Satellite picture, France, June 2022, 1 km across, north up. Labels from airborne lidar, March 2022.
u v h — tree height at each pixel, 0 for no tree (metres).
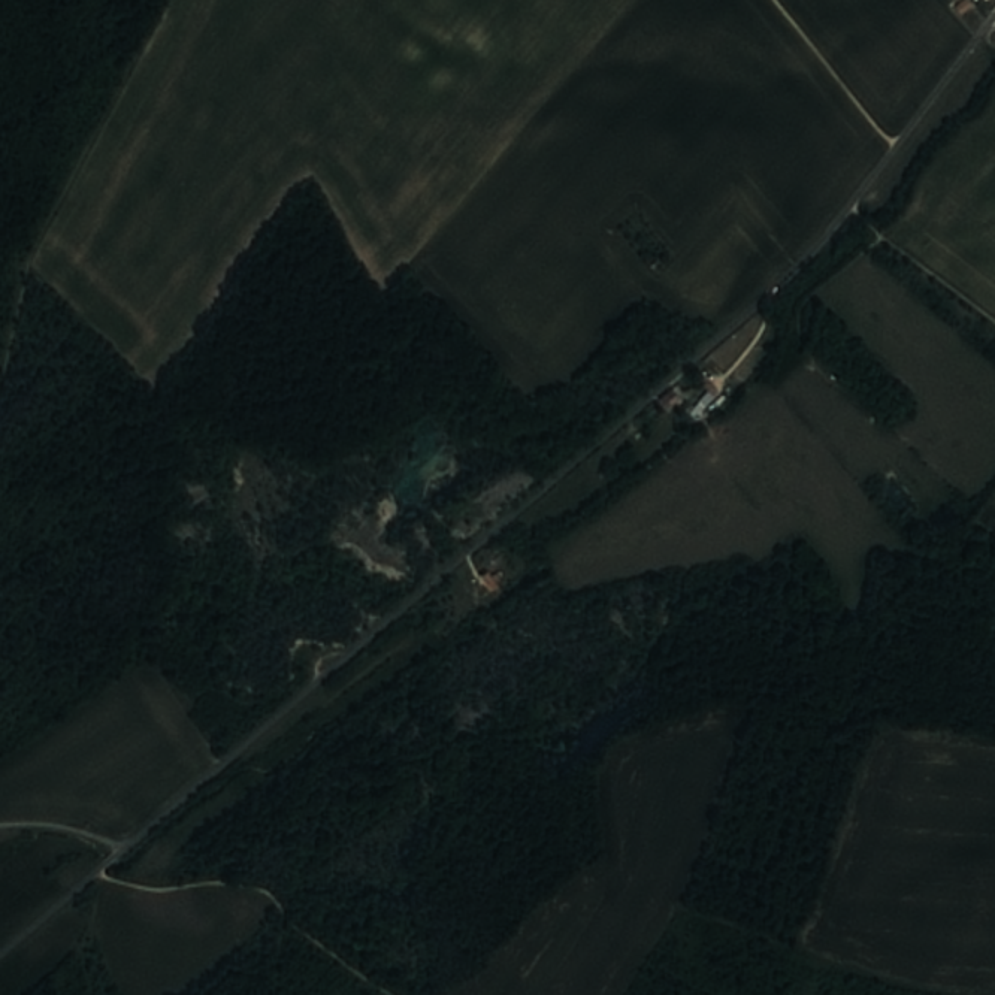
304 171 0
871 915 0
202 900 0
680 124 0
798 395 0
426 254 0
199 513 13
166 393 13
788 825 15
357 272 15
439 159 0
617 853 0
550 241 0
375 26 0
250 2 0
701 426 16
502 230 0
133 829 0
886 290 0
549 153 0
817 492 0
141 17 21
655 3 0
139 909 0
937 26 0
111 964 0
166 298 0
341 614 16
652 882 0
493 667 7
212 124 0
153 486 20
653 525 0
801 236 0
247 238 0
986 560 8
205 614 15
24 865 0
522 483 0
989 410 0
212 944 0
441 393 17
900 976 0
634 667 20
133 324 0
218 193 0
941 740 0
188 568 16
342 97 0
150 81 0
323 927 8
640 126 0
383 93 0
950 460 0
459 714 8
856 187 0
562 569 0
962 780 0
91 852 0
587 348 0
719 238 0
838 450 0
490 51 0
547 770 17
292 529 10
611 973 0
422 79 0
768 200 0
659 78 0
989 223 0
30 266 0
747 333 0
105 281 0
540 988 0
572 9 0
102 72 0
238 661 5
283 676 13
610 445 0
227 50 0
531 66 0
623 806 0
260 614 9
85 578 14
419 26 0
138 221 0
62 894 0
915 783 0
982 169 0
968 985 0
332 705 0
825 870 14
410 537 11
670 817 0
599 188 0
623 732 11
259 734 0
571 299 0
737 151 0
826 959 0
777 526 0
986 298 0
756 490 0
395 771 18
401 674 8
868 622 20
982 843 0
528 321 0
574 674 14
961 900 0
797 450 0
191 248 0
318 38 0
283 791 15
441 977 15
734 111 0
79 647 14
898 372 0
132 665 7
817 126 0
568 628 10
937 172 0
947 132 11
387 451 8
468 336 18
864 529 0
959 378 0
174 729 0
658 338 15
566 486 0
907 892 0
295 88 0
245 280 21
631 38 0
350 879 11
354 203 0
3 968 0
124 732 0
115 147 0
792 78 0
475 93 0
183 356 11
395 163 0
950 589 15
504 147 0
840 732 21
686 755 0
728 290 0
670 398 0
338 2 0
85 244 0
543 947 0
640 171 0
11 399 11
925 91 0
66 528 15
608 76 0
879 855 0
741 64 0
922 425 0
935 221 0
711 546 0
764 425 0
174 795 0
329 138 0
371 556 0
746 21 0
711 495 0
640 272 0
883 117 0
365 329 20
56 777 0
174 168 0
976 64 0
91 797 0
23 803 0
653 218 0
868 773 0
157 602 15
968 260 0
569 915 0
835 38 0
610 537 0
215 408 22
